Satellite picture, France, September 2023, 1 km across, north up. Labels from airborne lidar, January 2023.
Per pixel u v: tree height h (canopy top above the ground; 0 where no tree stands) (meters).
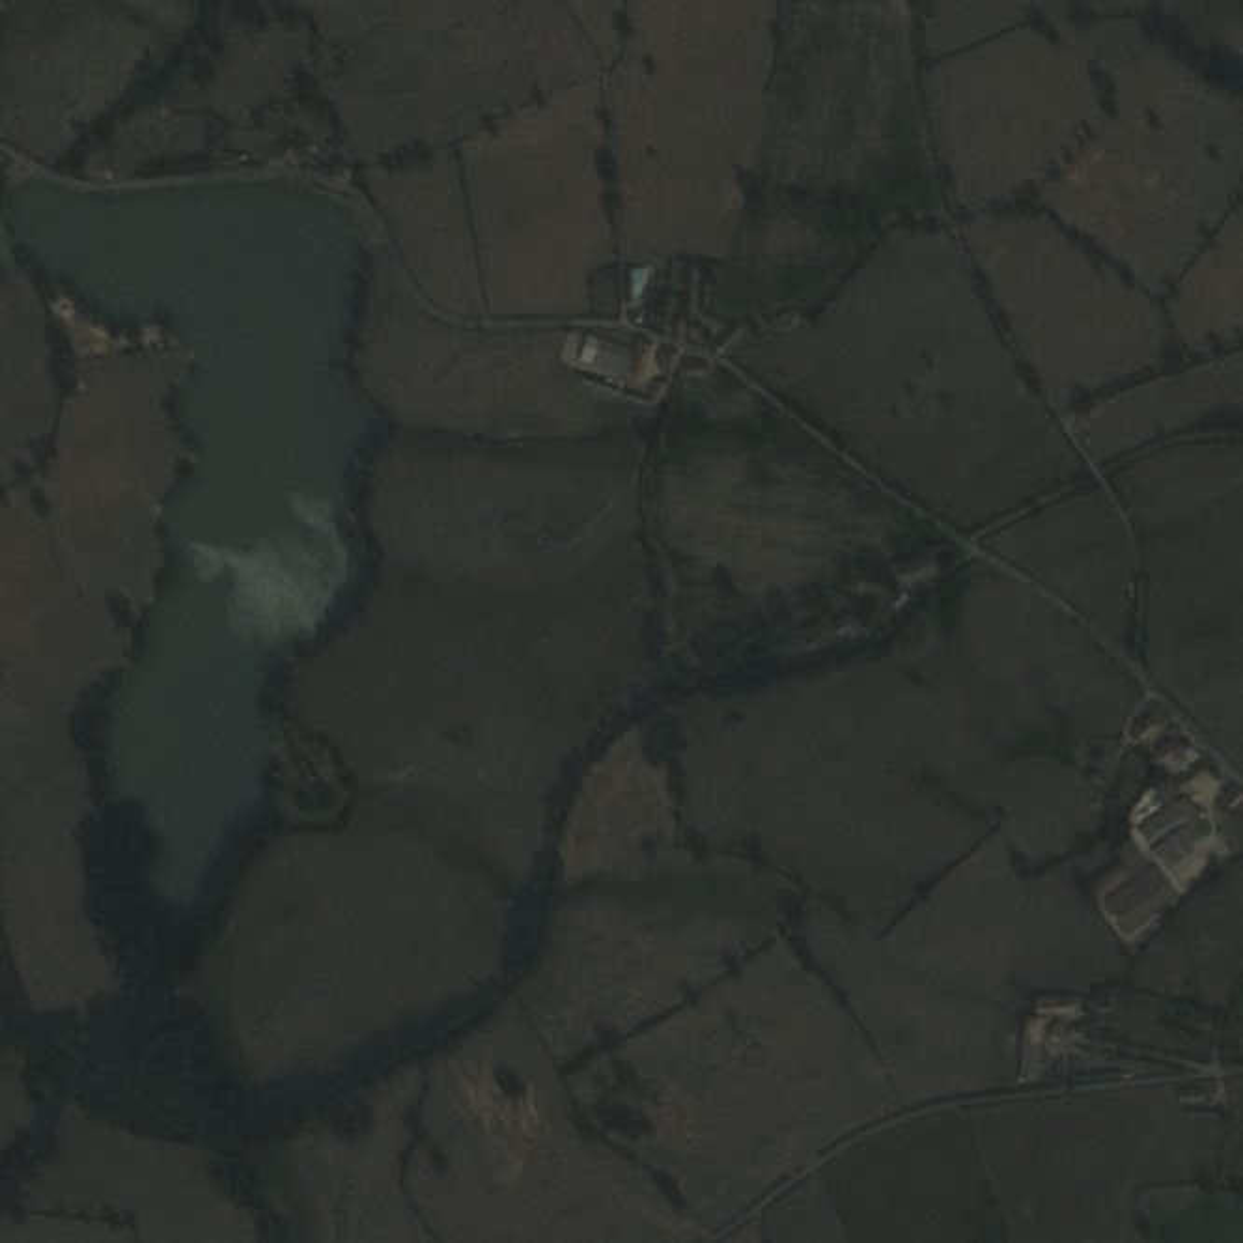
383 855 0
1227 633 0
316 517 0
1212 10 0
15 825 0
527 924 18
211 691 0
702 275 9
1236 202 10
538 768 0
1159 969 0
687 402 0
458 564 0
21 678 0
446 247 0
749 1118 0
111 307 0
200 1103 15
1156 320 0
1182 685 0
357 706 0
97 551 0
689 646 0
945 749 0
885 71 0
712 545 0
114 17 0
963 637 0
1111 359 0
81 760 0
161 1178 0
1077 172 0
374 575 14
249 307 0
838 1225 0
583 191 0
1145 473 0
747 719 0
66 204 0
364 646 0
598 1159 0
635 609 0
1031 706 0
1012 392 0
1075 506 0
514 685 0
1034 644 0
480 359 0
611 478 0
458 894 0
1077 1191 0
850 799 0
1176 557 0
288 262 0
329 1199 0
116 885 22
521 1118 0
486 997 16
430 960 0
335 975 0
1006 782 0
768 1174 0
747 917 0
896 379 0
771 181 0
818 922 0
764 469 0
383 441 11
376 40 0
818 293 0
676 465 0
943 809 0
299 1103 14
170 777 0
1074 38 0
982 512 0
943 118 0
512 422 0
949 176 13
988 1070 0
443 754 0
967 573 0
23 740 0
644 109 0
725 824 0
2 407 0
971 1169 0
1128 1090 0
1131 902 0
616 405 0
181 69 14
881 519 0
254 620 0
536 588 0
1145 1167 0
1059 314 0
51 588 0
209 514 0
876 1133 0
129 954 17
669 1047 0
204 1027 18
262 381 0
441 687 0
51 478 0
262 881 0
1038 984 0
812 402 0
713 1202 0
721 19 0
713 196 0
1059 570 0
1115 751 0
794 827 0
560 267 0
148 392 0
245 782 0
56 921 0
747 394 0
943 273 0
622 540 0
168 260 0
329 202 0
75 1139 0
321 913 0
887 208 0
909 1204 0
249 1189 15
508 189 0
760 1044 0
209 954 0
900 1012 0
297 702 0
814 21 0
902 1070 0
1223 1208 0
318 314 0
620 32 8
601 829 0
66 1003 0
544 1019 0
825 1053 0
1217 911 0
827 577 0
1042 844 0
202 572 0
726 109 0
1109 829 9
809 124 0
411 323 0
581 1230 0
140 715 0
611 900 0
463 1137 0
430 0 0
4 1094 0
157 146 0
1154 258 0
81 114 0
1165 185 0
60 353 18
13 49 0
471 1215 0
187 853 0
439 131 0
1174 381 0
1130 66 0
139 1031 22
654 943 0
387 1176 0
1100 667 0
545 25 0
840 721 0
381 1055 19
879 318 0
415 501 0
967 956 0
